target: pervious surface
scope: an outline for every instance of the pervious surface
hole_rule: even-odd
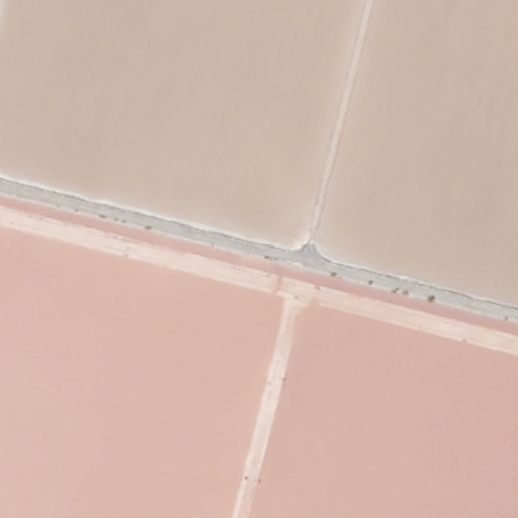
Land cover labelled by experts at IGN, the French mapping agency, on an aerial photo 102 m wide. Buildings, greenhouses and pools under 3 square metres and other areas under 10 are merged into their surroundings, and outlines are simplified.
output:
[[[81,247],[83,253],[91,249],[93,253],[101,251],[121,255],[162,265],[168,269],[217,279],[223,283],[257,289],[283,299],[275,348],[269,362],[267,380],[261,395],[261,405],[257,411],[251,445],[243,463],[243,473],[231,518],[247,518],[251,510],[251,494],[255,490],[263,465],[275,407],[281,393],[281,380],[291,350],[293,320],[310,301],[318,301],[324,308],[344,312],[350,318],[362,322],[374,322],[391,332],[401,334],[403,338],[411,338],[415,330],[423,330],[433,340],[451,344],[455,348],[463,348],[469,354],[480,356],[492,352],[500,360],[518,366],[518,336],[445,320],[439,316],[376,299],[356,297],[330,287],[314,287],[304,281],[271,275],[271,271],[275,265],[283,265],[318,275],[330,275],[334,271],[340,279],[348,283],[382,291],[395,289],[397,293],[405,293],[415,299],[427,299],[429,295],[435,295],[435,301],[439,306],[518,324],[518,310],[514,310],[506,301],[484,297],[473,291],[459,291],[441,283],[423,281],[391,269],[380,271],[364,263],[340,259],[332,255],[326,247],[322,247],[318,241],[314,241],[308,233],[301,233],[299,239],[295,239],[289,245],[0,172],[0,227],[24,231],[36,235],[38,239],[67,239],[69,243]]]

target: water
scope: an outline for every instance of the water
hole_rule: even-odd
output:
[[[162,265],[121,255],[101,251],[93,253],[91,249],[83,253],[81,247],[69,243],[67,239],[38,239],[36,235],[24,231],[0,227],[0,518],[231,518],[243,473],[243,463],[251,445],[257,411],[261,405],[261,395],[267,380],[269,362],[275,348],[283,299],[257,289],[223,283],[217,279],[168,269]]]
[[[415,299],[405,293],[397,293],[395,289],[382,291],[348,283],[340,279],[334,271],[330,275],[318,275],[283,265],[275,265],[271,271],[271,275],[304,281],[314,287],[330,287],[356,297],[376,299],[439,316],[445,320],[518,336],[518,324],[439,306],[435,301],[435,295],[429,295],[427,299]]]
[[[518,366],[500,360],[492,352],[480,356],[469,354],[463,348],[455,348],[451,344],[433,340],[423,330],[415,330],[411,338],[403,338],[401,334],[391,332],[374,322],[362,322],[350,318],[344,312],[324,308],[318,301],[310,301],[293,320],[291,350],[281,380],[281,393],[275,407],[263,465],[255,490],[251,494],[251,510],[247,518],[518,518]]]
[[[322,247],[326,247],[332,255],[340,259],[364,263],[380,271],[391,269],[423,281],[441,283],[459,291],[473,291],[484,297],[506,301],[514,310],[518,310],[518,0],[0,0],[0,172],[289,245],[295,239],[299,239],[301,233],[308,233],[314,241],[318,241]]]

